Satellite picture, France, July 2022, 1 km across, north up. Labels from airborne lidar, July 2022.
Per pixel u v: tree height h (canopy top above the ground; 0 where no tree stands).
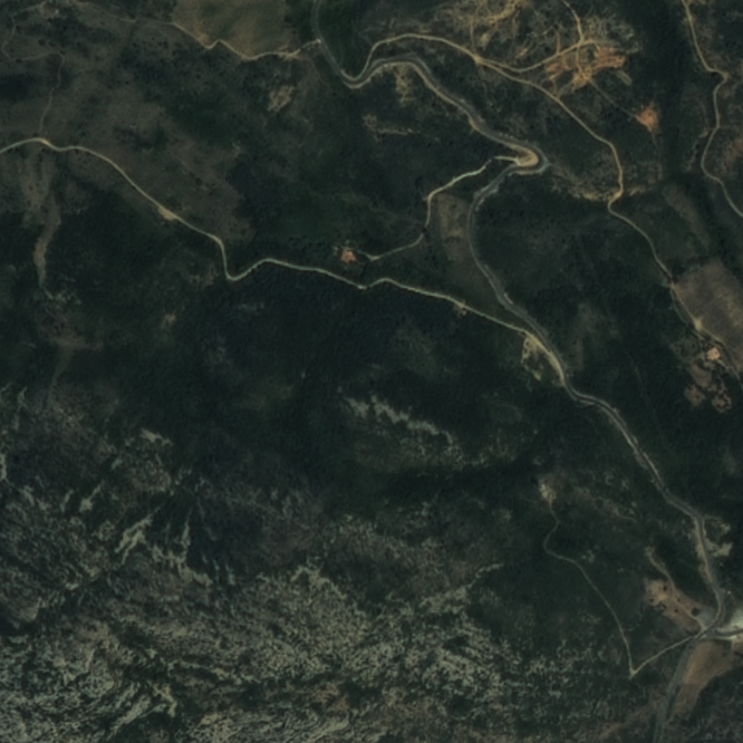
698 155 6
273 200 9
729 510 8
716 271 0
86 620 0
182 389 8
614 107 6
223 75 7
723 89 0
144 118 0
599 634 0
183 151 0
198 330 9
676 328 7
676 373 7
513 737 0
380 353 7
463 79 11
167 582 0
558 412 7
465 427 7
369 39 0
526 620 0
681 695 0
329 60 0
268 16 0
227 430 5
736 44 8
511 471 10
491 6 0
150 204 0
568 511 7
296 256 6
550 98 0
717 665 0
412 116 0
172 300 5
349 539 0
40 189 0
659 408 11
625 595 0
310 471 6
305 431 6
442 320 11
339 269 6
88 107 0
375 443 0
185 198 0
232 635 0
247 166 9
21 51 0
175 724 8
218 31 0
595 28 0
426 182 7
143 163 0
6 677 0
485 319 8
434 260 10
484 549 0
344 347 6
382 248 6
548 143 0
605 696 0
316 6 0
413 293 10
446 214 0
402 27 0
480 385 6
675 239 0
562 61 0
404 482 9
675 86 7
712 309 0
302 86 0
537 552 6
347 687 5
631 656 0
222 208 0
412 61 0
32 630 7
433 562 0
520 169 0
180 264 0
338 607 0
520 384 7
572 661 0
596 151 0
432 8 0
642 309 7
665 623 0
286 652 0
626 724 0
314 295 9
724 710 0
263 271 8
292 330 6
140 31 0
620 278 7
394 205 8
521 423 6
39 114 0
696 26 0
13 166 0
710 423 8
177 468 6
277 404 6
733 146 0
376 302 6
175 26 0
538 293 6
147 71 10
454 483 8
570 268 6
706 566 0
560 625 0
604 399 6
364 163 6
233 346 6
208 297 8
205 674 7
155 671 6
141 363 6
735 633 0
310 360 7
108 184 0
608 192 0
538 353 0
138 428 6
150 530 8
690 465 6
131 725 6
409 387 6
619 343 9
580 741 0
